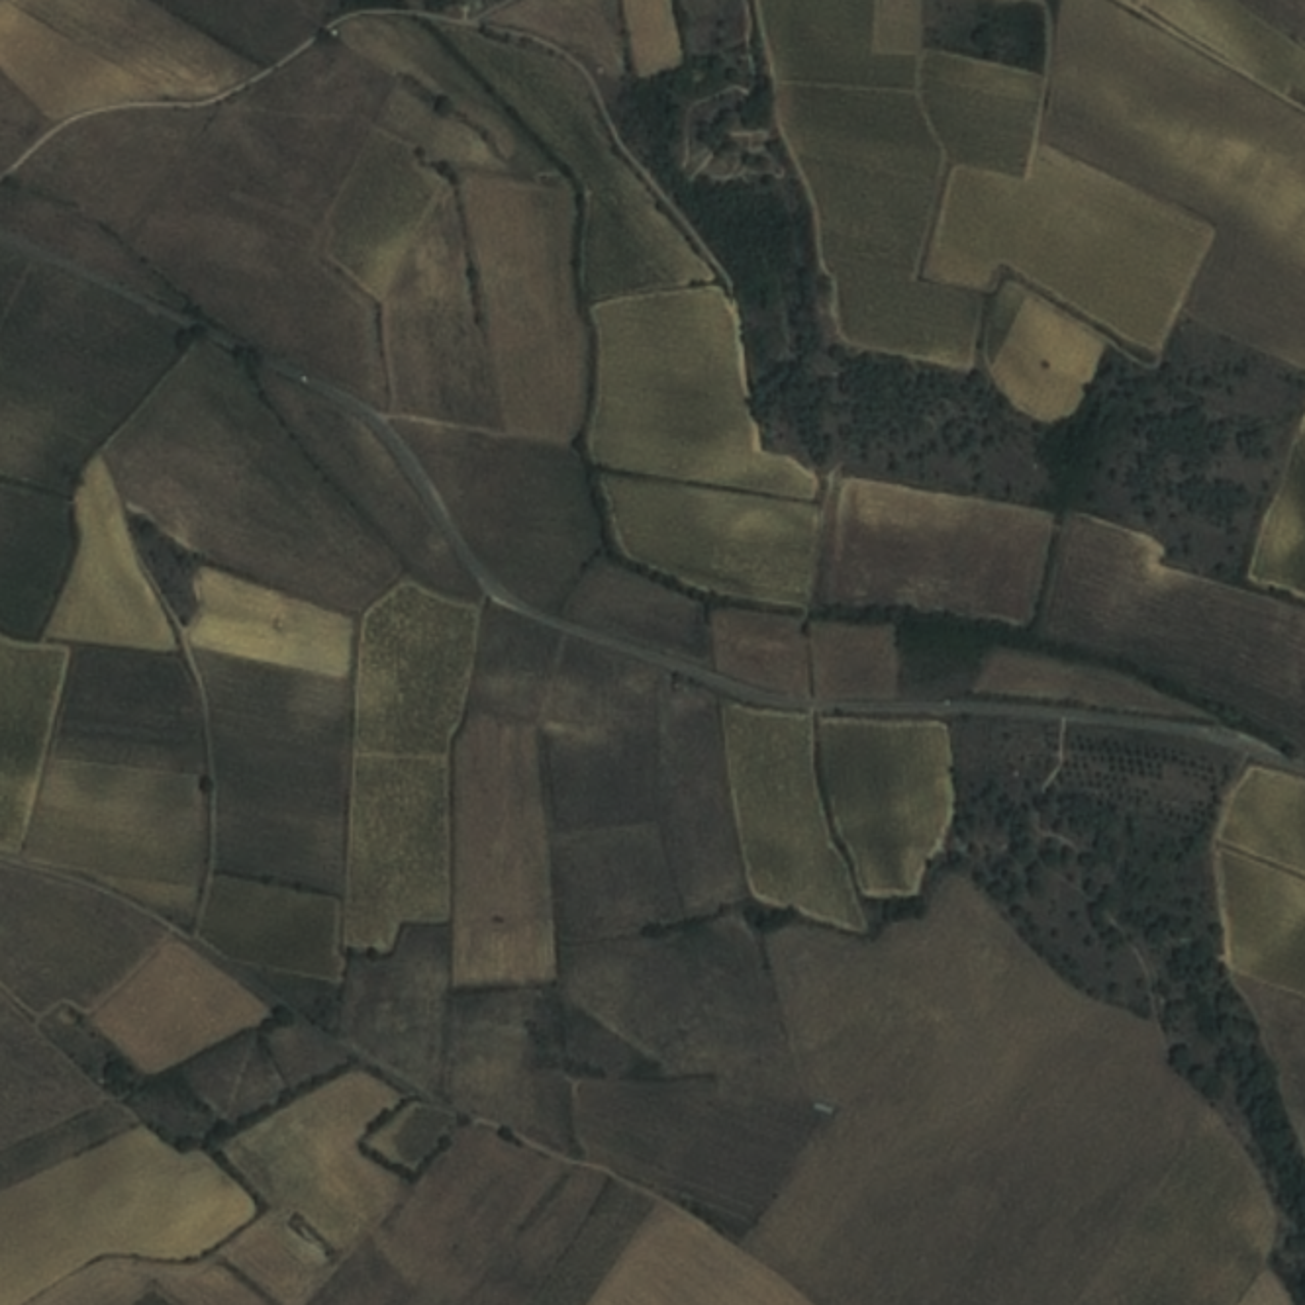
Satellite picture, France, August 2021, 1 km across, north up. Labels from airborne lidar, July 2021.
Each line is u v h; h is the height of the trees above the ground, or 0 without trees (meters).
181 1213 0
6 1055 0
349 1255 0
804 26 0
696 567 0
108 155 0
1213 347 0
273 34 0
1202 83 0
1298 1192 8
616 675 0
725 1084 0
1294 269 0
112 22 0
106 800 0
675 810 0
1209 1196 0
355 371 0
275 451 0
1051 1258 0
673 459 0
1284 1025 0
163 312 0
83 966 0
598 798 0
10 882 0
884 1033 0
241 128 0
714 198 10
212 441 0
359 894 0
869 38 0
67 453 0
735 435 0
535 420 0
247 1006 0
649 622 0
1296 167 0
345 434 0
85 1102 0
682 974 0
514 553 0
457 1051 0
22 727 0
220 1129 10
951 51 0
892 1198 0
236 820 0
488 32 9
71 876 0
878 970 0
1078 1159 0
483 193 0
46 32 0
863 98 0
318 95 0
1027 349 0
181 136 0
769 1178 0
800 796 0
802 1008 0
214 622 0
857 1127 0
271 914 0
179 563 8
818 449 11
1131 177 0
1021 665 0
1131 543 0
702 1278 0
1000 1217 0
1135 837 11
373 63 0
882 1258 0
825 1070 0
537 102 0
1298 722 0
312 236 0
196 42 0
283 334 0
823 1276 0
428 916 0
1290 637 0
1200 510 12
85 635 0
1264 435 13
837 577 0
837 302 0
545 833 0
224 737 0
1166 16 0
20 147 0
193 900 0
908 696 0
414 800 0
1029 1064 0
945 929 0
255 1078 0
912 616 11
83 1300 0
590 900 0
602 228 0
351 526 0
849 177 0
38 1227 0
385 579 0
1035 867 9
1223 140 0
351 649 0
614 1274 0
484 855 0
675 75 9
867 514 0
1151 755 6
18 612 0
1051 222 0
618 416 0
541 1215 0
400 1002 0
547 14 0
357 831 0
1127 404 14
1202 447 13
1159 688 8
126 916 0
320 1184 0
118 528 0
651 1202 0
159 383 0
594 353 0
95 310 0
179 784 0
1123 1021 0
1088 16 0
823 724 0
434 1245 0
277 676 0
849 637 0
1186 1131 0
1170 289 0
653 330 0
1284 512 0
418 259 0
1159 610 0
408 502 0
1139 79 0
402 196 0
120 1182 0
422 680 0
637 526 0
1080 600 0
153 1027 0
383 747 0
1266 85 0
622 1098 0
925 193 0
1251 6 0
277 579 0
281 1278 0
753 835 0
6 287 0
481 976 0
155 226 0
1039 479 0
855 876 0
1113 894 8
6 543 0
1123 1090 0
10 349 0
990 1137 0
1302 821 0
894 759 0
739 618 0
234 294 0
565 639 0
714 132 9
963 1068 0
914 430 11
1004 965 0
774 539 0
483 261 0
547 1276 0
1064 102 0
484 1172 0
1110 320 0
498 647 0
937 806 0
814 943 0
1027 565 0
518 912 0
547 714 0
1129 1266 0
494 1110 0
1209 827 7
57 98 0
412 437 0
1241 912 0
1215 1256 0
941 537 0
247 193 0
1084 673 0
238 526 0
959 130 0
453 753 0
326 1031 6
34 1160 0
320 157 0
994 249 0
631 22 0
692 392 0
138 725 0
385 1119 8
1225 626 0
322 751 0
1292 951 0
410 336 0
